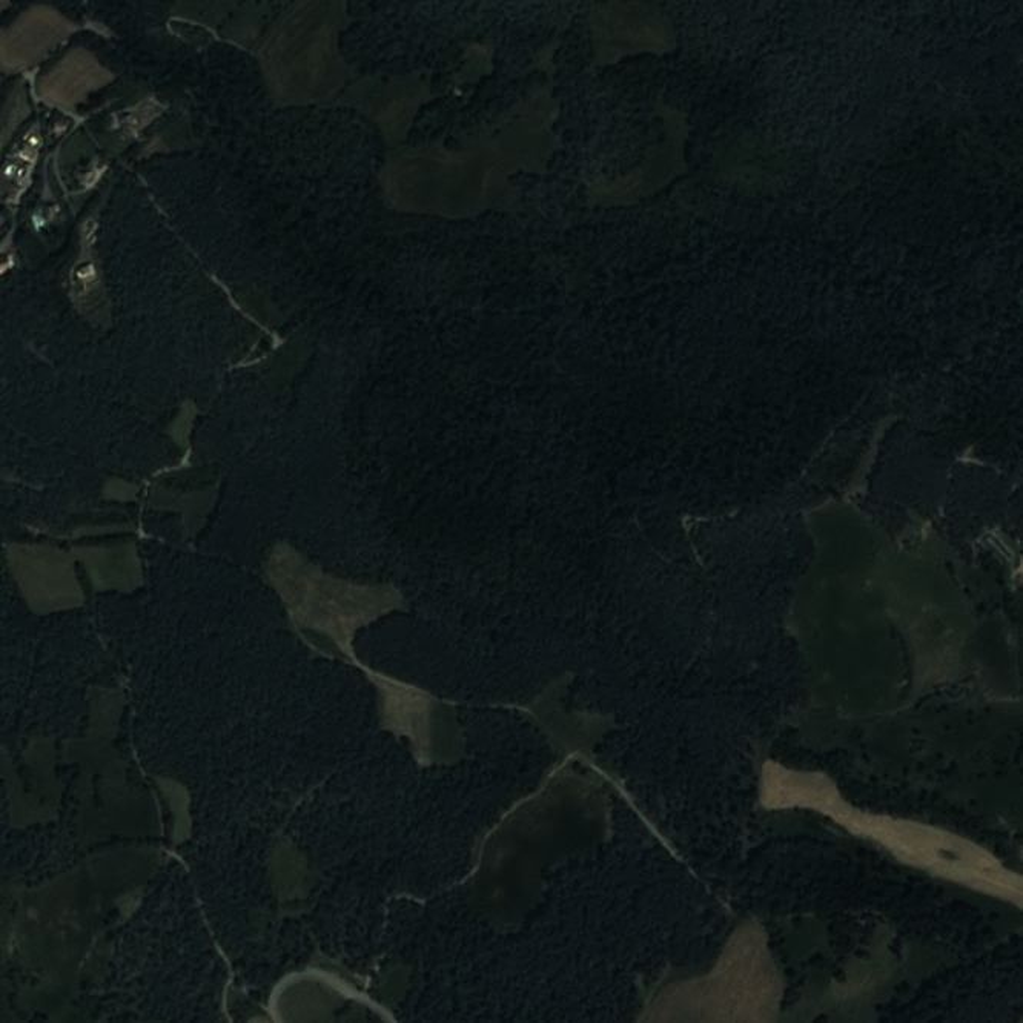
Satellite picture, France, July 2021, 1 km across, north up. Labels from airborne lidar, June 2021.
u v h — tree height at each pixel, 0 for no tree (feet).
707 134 28
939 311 18
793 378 26
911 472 50
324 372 66
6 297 29
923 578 0
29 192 23
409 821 47
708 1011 0
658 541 37
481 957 38
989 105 78
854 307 63
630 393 37
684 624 46
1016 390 76
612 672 67
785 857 63
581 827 0
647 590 47
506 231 38
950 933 58
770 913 37
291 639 49
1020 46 72
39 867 36
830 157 37
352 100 0
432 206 0
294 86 0
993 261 60
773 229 31
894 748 0
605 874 62
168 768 32
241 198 29
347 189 39
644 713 56
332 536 52
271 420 47
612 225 66
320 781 29
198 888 43
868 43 32
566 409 53
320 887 33
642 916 56
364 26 40
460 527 28
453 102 33
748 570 49
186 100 19
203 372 40
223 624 48
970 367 37
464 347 30
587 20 28
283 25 0
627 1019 45
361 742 33
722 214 19
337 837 38
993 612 19
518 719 36
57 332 33
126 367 33
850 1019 0
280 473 52
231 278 40
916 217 34
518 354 27
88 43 38
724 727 55
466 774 29
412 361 35
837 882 46
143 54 41
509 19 34
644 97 27
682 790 38
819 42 33
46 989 0
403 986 0
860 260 27
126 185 29
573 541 38
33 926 0
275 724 43
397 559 42
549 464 53
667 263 66
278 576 0
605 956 42
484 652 36
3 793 19
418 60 34
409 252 39
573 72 26
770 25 33
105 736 0
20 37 0
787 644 49
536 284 24
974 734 0
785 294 54
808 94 20
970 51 66
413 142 28
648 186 0
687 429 33
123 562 0
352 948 38
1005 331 56
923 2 40
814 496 50
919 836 0
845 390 24
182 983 29
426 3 33
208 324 35
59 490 40
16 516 47
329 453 69
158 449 46
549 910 45
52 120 29
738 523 38
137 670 36
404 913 43
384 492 28
